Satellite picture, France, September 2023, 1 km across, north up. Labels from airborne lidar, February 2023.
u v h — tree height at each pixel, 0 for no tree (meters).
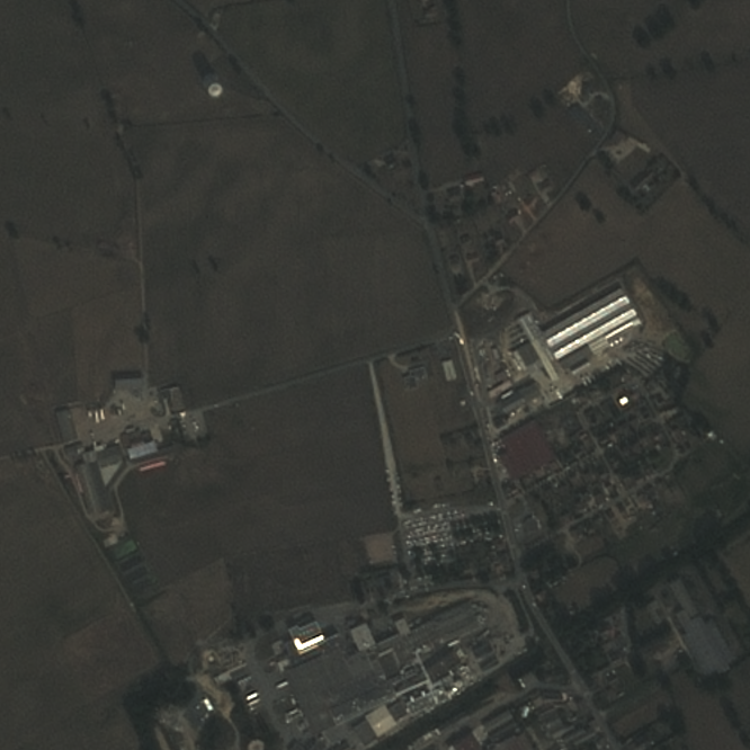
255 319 0
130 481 0
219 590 0
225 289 0
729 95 0
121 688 0
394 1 0
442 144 0
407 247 0
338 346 0
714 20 0
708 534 19
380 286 0
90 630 0
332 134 0
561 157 0
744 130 0
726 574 13
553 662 0
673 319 0
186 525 0
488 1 0
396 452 0
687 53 0
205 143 0
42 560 0
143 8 0
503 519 0
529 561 17
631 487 0
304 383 0
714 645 0
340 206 0
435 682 0
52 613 0
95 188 0
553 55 0
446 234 0
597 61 0
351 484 0
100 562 0
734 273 0
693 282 0
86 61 0
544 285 0
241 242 0
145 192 0
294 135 0
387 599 0
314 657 0
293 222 0
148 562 0
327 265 0
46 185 0
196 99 0
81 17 12
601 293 0
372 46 0
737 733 0
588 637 8
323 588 0
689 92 0
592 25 0
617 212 0
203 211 0
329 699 0
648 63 0
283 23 0
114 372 0
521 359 0
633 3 0
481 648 7
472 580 0
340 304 0
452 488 0
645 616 0
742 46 0
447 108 0
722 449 0
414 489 0
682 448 9
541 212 0
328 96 0
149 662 0
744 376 0
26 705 0
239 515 0
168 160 0
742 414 0
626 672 0
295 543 0
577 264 0
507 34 0
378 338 0
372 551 0
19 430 0
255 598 0
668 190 0
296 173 0
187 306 0
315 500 0
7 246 0
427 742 0
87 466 0
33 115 0
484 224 0
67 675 0
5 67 0
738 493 0
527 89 0
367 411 0
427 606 0
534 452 0
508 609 0
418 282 0
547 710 0
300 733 0
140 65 0
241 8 0
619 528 0
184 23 0
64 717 0
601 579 0
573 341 0
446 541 0
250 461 0
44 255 0
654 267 0
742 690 0
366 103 0
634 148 0
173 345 0
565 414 0
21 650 0
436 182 0
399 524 0
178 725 0
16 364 0
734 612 0
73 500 0
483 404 0
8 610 0
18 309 0
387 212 0
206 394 0
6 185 0
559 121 0
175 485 0
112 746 0
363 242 0
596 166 0
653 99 0
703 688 6
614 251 0
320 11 0
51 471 0
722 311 0
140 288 0
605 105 0
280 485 0
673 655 0
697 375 0
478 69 0
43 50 0
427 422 0
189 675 0
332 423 0
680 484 0
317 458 0
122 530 0
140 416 0
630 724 0
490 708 0
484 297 0
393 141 0
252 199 0
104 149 0
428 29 0
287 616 0
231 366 0
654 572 18
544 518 0
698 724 0
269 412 0
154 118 0
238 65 13
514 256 0
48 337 0
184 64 0
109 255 0
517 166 0
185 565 0
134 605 0
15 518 0
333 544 0
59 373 0
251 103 0
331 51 0
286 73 0
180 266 0
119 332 0
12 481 0
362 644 0
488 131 11
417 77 0
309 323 0
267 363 0
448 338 0
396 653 0
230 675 0
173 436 0
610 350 0
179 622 0
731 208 0
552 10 0
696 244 0
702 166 0
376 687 0
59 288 0
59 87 0
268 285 0
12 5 0
